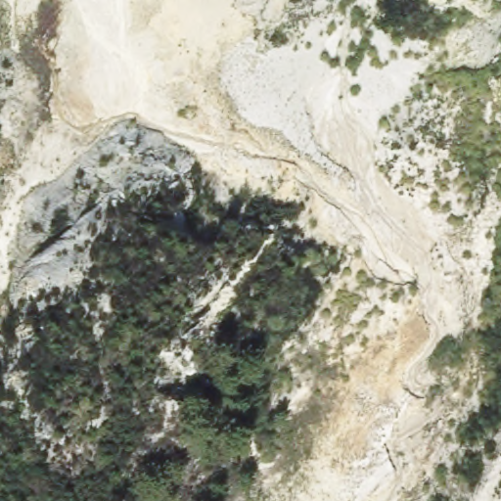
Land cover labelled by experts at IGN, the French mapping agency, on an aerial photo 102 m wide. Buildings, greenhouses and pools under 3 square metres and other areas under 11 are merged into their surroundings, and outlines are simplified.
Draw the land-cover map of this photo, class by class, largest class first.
<instances>
[{"label":"pervious surface","instance_id":"1","mask_svg":"<svg viewBox=\"0 0 501 501\"><path fill-rule=\"evenodd\" d=\"M431 8L438 12H444L448 8H460L472 12L466 27L450 29L446 35H440L436 39V43H427L423 39H405L403 43H393L389 35L376 27L380 8L376 0H0V341L4 339V317L10 309L16 307V303L22 297L37 296L39 290L51 288H78L82 276L92 266V260L88 252H74V247L82 245L84 241H94L106 231L108 205L123 202V198H127L133 192L139 194V200L147 202L153 194H159V190L166 186H184V205L190 207L194 202L190 168L192 164L200 162L202 170L209 172L211 176V188L215 190L217 202H229V192L233 188H250L258 196H268L282 202H299L305 205L299 217L284 219V227H299L294 241L315 239L317 243L346 247V260L341 262L337 274H331V286L317 299L313 317L307 323H301L296 335L284 342L282 352L276 356V366H288L294 380L284 382L282 389H276L270 395V405L276 407L280 401L288 399L290 411H303L307 399L313 405H321V423L309 425V433L315 438L311 460H301L292 464L286 454L278 452L268 462L264 454L256 448V442H250V456L258 466L250 489L252 501H501V427L499 433L485 431L479 434L476 444H458L456 433L460 423L468 421L472 411H478L479 393L485 382L493 380L495 374L483 370V362L479 360L476 350L464 354V366L436 368L434 372L429 370V356L433 354L438 342L448 335L454 337L478 329H479L481 294L491 278L495 225L501 219V200L493 192L485 200V209L479 204L466 205V194L460 192V188L456 186L460 162L450 157L448 151L434 147L433 143L440 133H444L446 137L454 131V119L460 114L462 104L468 100V94L458 92L456 100L452 98V90L427 88V82L419 78V72H425L429 65L436 70L464 65L483 67L487 63H495L501 53V0H429ZM364 29L372 31V45L376 49L364 55L356 74H352L346 68L348 45L360 43V33ZM464 452H478L483 464V476L476 491H470L468 483L462 476H456L452 468L454 464L462 462ZM491 94L483 110L485 121H497L501 127V76L489 80Z\"/></svg>","mask_w":501,"mask_h":501},{"label":"brushwood","instance_id":"2","mask_svg":"<svg viewBox=\"0 0 501 501\"><path fill-rule=\"evenodd\" d=\"M380 8L376 27L389 35L393 43H403L405 39H423L427 43H436V39L440 35H446L450 29L466 27L472 12L460 8H448L444 12H438L431 8L429 0H376ZM376 49L372 45V31L364 29L360 33V43L348 45L346 68L352 74H356L364 55ZM194 202L190 207L184 205V186H166L159 190V194H153L147 202L139 200V194L133 192L127 198H123V202L108 205L106 231L94 241H84L82 245L74 247V252H88L92 260V266L82 276L78 288H51L39 290L37 296L22 297L16 303V307L10 309L4 317V339L0 341V501H135V495L131 493L133 485L155 478L159 472L166 470V464L174 462L184 466L188 464V452L172 444L170 440L174 436H186V421L180 419L178 411H172L170 417L174 429L164 434V438H160L159 442H153L151 434L159 433L164 409L159 407L151 413L149 401L155 395H160L162 386L155 384V376H164L168 366L160 358V350H166L170 346V341L176 337L178 323L184 317V311L192 309L194 301H198L209 292V284L221 278L223 268H229V278H235L243 262L258 250L260 243L268 235L274 237V243L250 268L245 280L235 288L233 301L237 303L241 315L235 317L233 313L221 311L215 337V348L219 352H229L231 356L239 358H264L262 366L272 370V386H239L237 393H221L213 386V382L207 386L202 397L211 405L223 403L225 407H229L225 411V417L237 419V423L241 425L237 433L243 438H249L250 442H256V448L264 454L268 462L278 452V444L274 438V421L278 415H286L290 411L288 399L280 401L276 407L270 405V395L276 389H282L284 382L294 380L288 366H276V356L282 352L284 342L296 335L301 323H307L313 317L317 299L331 286V274H337L341 262L346 260V247L317 243L315 239L294 241L299 227H284V219L299 217L305 205L299 202H282L268 196H258L250 188H233L229 192V202H217L215 190L211 188V176L209 172L202 170L200 162L192 164L190 168ZM22 370L25 372L23 391L29 393V409L41 413V419H45L53 427V433H65V423L76 413L78 403L90 401V409L86 413L92 421H88L86 427H102L104 438L98 444L96 462H88L86 470H82L78 476H63L57 470H51L47 464V452L39 448L35 438V421L22 419L20 397L12 387L4 386V374H16ZM483 346H489L493 352H501V317L495 321V325L479 329H478ZM501 427V364L495 368V374L493 380L485 382L479 393L478 411H472L468 421L460 423L456 433L458 444H476L479 434L485 431L499 433ZM452 468L456 476H462L468 483L470 491H476L483 476V464L478 452H464L462 462L454 464ZM229 493L227 481L225 468L207 478L198 487L182 483L178 487V493L172 495L170 501H225Z\"/></svg>","mask_w":501,"mask_h":501},{"label":"herbaceous vegetation","instance_id":"3","mask_svg":"<svg viewBox=\"0 0 501 501\"><path fill-rule=\"evenodd\" d=\"M501 76V53L495 63H487L483 67L464 65L436 70L429 65L425 72H419V78L427 82V88L452 90V98L456 100L458 92L468 94V100L462 104L460 114L454 119V131L446 137L444 133H440L433 143L434 147L448 151L450 157L460 162L456 186L460 188V192L466 194V205L479 204L485 209V200L493 192L501 200V127L497 121H485L483 110L491 94L489 80ZM491 278L481 294L479 329L495 325V321L501 317V219L495 225ZM190 350L196 364V374L188 376L186 382H172L162 386L160 395H164L166 399H174L178 403L186 397H202L207 386L213 382L209 374L213 362L219 358V352L215 348V337H200L198 329L192 331ZM476 350L479 360L483 362V370L495 374V368L501 364V352H493L489 346H483L478 329L454 337L448 335L438 342L433 354L429 356V370L434 372L436 368L464 366V354ZM274 438L278 444V452L286 454L292 464L301 460H311L315 438L309 433V425L321 423V405H313L307 399L303 411H290L286 415H278L274 421ZM90 409V401L78 403L76 413L65 423V433H53L49 438H35L39 448L47 452V464L51 470H57L63 476H78L82 470H86L88 462H96L98 444L104 438L102 427H86L88 421H92L86 413ZM172 444L188 452V464L184 466L182 483L198 487L207 478L205 466H200V448L192 446L186 440V436H174L170 440ZM229 493L225 501H252L250 489H243L239 483L227 481Z\"/></svg>","mask_w":501,"mask_h":501},{"label":"coniferous trees","instance_id":"4","mask_svg":"<svg viewBox=\"0 0 501 501\"><path fill-rule=\"evenodd\" d=\"M264 358H239L231 356L229 352H219V358L213 362L209 374L213 382V386L221 393H237L239 386H272V370L262 366ZM229 407H225L223 403L211 405L202 397H186L178 403V411L180 419L186 421V440L192 446L200 448V466H205L207 478L225 468L227 481L239 483L243 489H250L258 466L250 456V442L249 438H243L237 433L241 425L237 423V419L225 417V411ZM184 466L174 462L166 464V470L159 472L155 478L133 485L131 493L135 495V501H170L172 495L178 493V487L182 483Z\"/></svg>","mask_w":501,"mask_h":501},{"label":"bare soil","instance_id":"5","mask_svg":"<svg viewBox=\"0 0 501 501\"><path fill-rule=\"evenodd\" d=\"M274 243V237L268 235L260 243L258 250L243 262L235 278H229V268H223L221 278L209 284V292L198 301H194L192 309L184 311V317L178 323L176 337L170 341V346L166 350H160V358L168 366L164 376H155V384L162 386L172 382H186L188 376L196 374V364L190 350L192 331L198 329L200 337H215L221 311L233 313L235 317L241 315L237 303L233 301L235 288L245 280L250 268ZM25 372L22 370L16 374H4V386L12 387L20 397L22 419L35 421V438H49L53 433V427L45 419H41V413L29 409V393L23 391ZM159 407L164 409L159 433L151 434L153 442H159L160 438H164V434L174 429L170 417L172 411H178V403L174 399H166L164 395H155L149 401L151 413Z\"/></svg>","mask_w":501,"mask_h":501}]
</instances>
